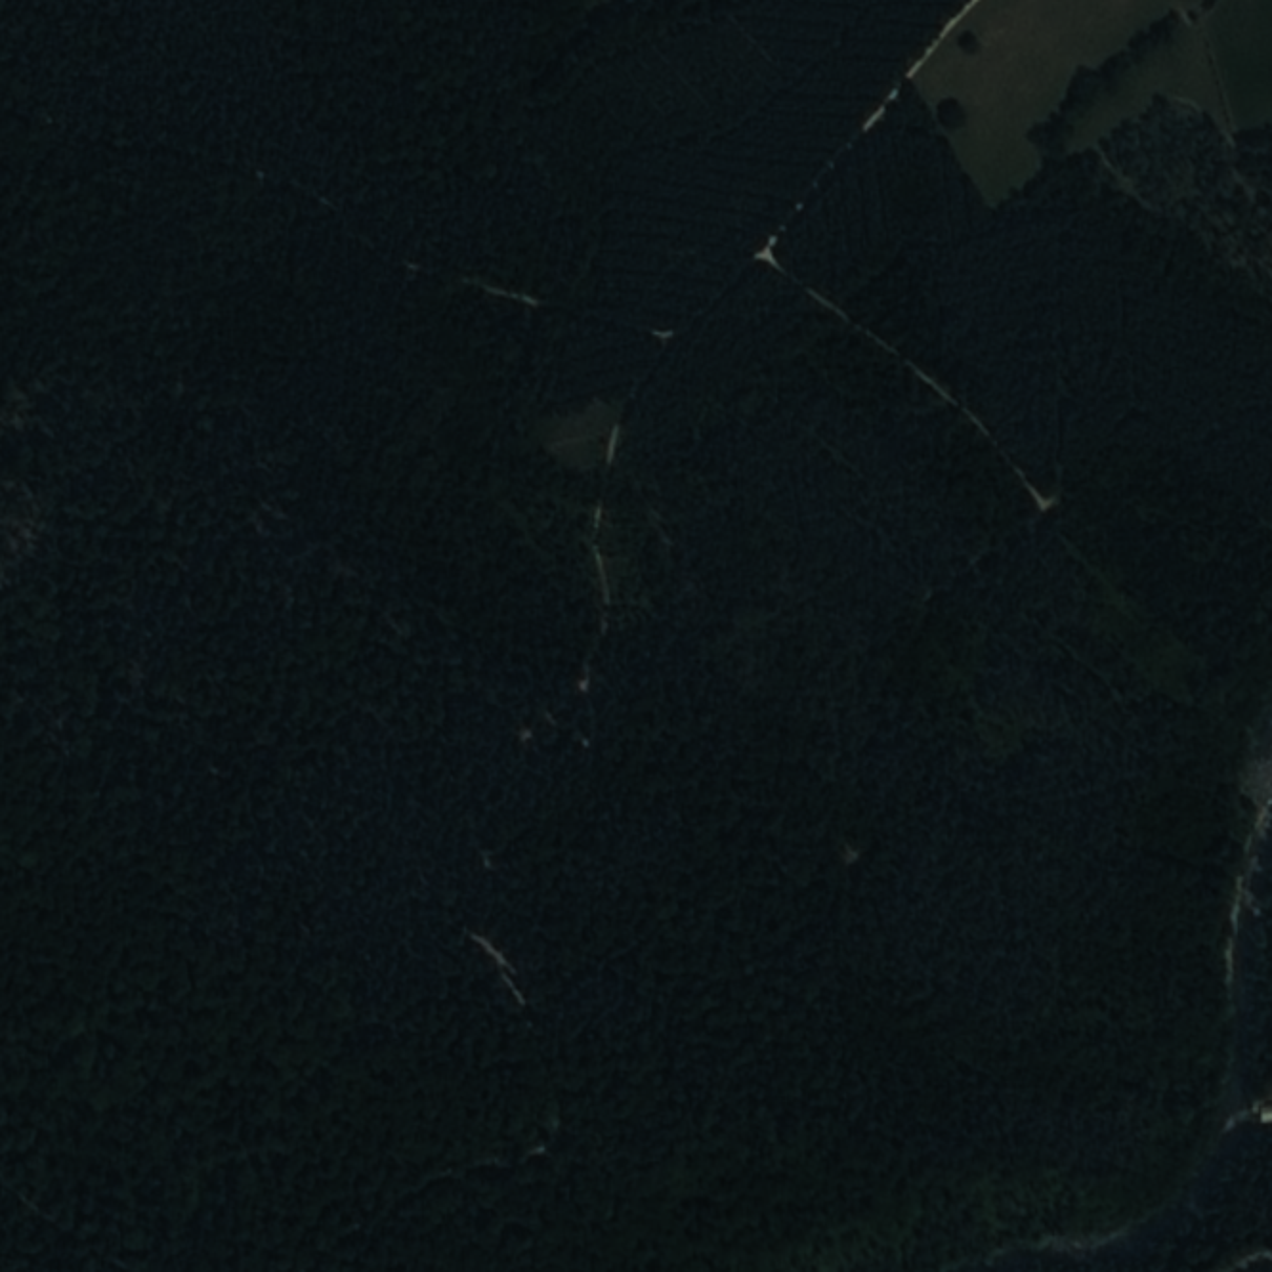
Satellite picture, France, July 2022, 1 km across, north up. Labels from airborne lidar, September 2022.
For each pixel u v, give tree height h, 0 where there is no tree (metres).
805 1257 6
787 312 15
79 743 25
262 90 30
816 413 22
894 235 18
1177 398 21
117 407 23
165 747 19
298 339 12
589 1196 23
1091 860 21
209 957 22
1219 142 18
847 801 16
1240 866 17
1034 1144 23
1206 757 25
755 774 13
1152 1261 34
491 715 30
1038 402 15
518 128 19
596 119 18
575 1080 21
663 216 16
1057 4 0
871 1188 20
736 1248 23
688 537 8
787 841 18
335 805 26
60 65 32
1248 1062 16
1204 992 17
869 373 7
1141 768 27
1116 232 13
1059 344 12
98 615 23
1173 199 16
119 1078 28
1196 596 7
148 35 33
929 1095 15
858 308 12
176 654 27
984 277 24
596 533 14
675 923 17
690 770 26
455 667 26
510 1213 25
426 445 17
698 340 9
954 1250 15
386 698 22
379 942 30
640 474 10
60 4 27
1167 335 16
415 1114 23
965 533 16
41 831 23
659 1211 29
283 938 25
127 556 25
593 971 34
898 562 25
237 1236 23
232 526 8
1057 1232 17
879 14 16
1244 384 14
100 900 22
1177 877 28
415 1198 22
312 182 25
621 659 12
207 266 19
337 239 24
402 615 27
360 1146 24
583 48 22
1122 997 8
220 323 16
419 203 29
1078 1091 26
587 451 0
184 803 19
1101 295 13
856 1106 22
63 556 15
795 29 20
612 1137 18
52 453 28
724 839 23
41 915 26
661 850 24
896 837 25
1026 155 0
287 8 25
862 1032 15
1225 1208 26
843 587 20
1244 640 20
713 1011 22
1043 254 24
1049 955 17
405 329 21
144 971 29
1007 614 15
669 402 12
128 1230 30
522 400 22
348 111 22
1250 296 20
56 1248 11
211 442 26
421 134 23
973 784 25
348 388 17
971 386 20
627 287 18
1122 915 26
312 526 12
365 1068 22
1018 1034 12
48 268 21
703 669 21
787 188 12
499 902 30
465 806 27
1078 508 7
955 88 0
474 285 6
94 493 27
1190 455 16
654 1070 30
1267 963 22
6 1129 23
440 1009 27
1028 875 17
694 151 14
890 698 31
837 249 14
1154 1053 19
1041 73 0
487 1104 22
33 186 25
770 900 21
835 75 19
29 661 25
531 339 18
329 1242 21
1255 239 22
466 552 21
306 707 22
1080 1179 9
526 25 22
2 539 13
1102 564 9
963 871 23
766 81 18
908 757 27
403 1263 23
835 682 18
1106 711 8
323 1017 23
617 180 15
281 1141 27
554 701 16
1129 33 0
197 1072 27
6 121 24
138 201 17
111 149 19
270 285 12
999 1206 6
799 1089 22
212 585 22
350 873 24
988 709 18
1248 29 0
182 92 30
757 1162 21
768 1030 22
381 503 21
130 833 19
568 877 30
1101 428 17
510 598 12
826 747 27
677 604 20
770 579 17
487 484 25
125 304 21
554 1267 25
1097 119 0
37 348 20
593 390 16
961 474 17
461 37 26
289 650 24
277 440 26
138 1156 22
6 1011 25
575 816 19
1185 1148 24
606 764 20
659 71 17
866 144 18
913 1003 18
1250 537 16
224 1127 25
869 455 22
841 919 25
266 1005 25
